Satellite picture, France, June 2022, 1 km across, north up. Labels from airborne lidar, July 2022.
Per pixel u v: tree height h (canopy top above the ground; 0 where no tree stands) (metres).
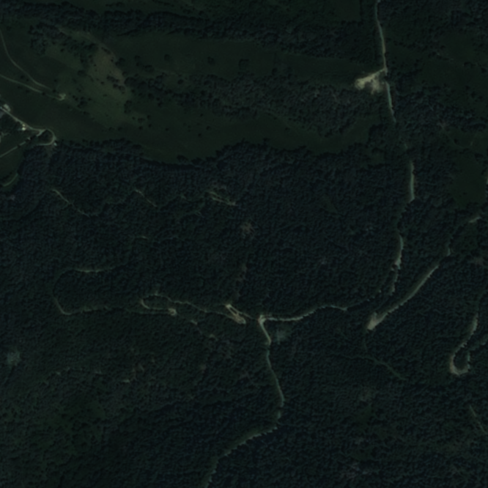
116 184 18
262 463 32
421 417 29
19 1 19
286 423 19
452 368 0
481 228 11
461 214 21
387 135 22
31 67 0
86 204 23
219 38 18
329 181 30
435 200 22
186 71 0
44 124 0
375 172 21
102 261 29
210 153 0
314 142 0
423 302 18
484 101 13
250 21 18
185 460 18
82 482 18
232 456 9
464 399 12
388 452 22
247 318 12
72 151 22
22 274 18
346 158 17
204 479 11
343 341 16
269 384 12
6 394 16
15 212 21
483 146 0
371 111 13
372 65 14
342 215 12
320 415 20
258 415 17
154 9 0
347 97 18
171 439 21
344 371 18
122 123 0
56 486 19
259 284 25
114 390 17
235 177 7
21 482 16
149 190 20
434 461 27
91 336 24
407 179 9
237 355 15
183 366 15
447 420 26
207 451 19
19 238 11
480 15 20
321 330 23
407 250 11
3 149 0
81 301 15
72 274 17
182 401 23
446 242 22
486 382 9
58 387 24
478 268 16
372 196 25
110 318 25
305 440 24
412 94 14
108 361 23
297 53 17
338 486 24
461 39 0
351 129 19
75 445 16
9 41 0
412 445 7
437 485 26
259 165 25
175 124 0
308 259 29
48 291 14
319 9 13
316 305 13
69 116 0
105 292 23
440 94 14
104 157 21
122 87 6
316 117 23
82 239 25
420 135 23
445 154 19
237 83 14
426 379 16
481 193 0
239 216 28
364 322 16
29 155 18
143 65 10
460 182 0
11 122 6
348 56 23
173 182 17
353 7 0
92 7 0
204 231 23
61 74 0
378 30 9
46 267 20
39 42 18
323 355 20
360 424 10
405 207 18
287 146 0
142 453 27
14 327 28
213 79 15
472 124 22
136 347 19
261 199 25
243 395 23
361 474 24
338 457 32
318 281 25
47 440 12
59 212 12
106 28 9
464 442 12
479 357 17
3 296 16
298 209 26
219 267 18
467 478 12
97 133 0
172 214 22
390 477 22
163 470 19
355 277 20
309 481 9
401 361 27
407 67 6
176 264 25
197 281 24
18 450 18
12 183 0
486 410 21
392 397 16
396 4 18
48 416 16
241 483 10
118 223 23
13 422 11
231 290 30
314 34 23
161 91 27
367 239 24
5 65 0
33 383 16
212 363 25
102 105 0
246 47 0
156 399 23
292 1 13
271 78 11
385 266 25
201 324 15
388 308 17
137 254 16
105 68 0
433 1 20
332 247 25
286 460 28
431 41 15
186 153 0
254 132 0
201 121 0
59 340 23
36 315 25
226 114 20
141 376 15
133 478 29
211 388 28
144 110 0
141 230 16
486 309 15
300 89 21
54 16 20
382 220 21
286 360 21
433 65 0
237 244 27
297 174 23
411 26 10
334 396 19
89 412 13
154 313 7
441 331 22
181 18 19
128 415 21
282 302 24
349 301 20
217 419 26
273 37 18
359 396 19
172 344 24
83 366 19
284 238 22
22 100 0
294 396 26
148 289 19
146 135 0
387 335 19
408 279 21
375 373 19
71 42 7
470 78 0
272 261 16
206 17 15
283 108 15
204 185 22
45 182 21
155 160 0
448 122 18
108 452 28
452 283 21
